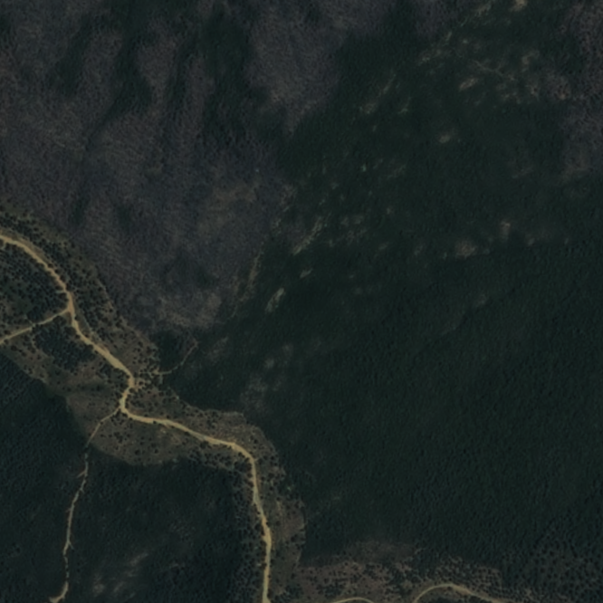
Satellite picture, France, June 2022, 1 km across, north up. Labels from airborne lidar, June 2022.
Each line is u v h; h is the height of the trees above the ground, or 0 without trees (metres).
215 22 9
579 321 6
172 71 8
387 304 8
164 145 14
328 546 7
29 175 14
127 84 7
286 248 8
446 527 8
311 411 6
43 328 9
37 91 10
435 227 8
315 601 0
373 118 6
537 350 10
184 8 11
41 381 11
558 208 10
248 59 6
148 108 11
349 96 6
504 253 5
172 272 11
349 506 5
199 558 13
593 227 6
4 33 10
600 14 14
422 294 8
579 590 15
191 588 7
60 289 18
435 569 8
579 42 8
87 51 11
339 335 6
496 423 11
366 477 7
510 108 11
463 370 7
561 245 8
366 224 6
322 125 6
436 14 7
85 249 13
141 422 0
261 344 6
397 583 11
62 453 10
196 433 0
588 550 15
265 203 9
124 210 7
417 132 5
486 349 7
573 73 18
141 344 5
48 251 12
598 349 10
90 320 9
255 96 9
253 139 12
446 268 7
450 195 7
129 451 0
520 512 7
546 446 7
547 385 14
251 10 9
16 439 6
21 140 16
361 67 5
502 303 10
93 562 6
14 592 15
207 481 12
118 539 8
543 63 6
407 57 8
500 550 14
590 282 5
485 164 9
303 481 7
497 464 14
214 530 14
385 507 6
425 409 7
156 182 10
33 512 11
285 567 0
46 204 15
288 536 0
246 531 11
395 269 7
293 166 6
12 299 8
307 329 10
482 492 8
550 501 7
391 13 6
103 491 11
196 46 9
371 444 7
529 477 9
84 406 0
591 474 9
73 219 9
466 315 9
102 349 0
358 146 7
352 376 5
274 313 8
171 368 7
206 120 13
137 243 12
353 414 7
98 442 0
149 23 9
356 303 6
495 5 10
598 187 7
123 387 8
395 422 7
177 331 0
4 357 10
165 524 6
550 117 7
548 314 9
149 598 11
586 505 13
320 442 6
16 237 0
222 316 7
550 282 5
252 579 9
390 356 11
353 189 9
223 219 0
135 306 7
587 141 10
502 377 16
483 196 9
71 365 12
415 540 10
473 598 10
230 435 0
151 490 13
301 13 6
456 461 11
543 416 10
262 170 6
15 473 10
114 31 14
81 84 10
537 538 9
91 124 11
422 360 8
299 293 7
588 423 7
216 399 7
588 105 17
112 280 12
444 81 8
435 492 9
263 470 0
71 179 16
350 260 11
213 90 10
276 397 6
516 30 11
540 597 9
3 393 10
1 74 14
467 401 13
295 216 9
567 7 6
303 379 7
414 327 6
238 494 8
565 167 6
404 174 9
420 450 11
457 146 5
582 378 8
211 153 15
